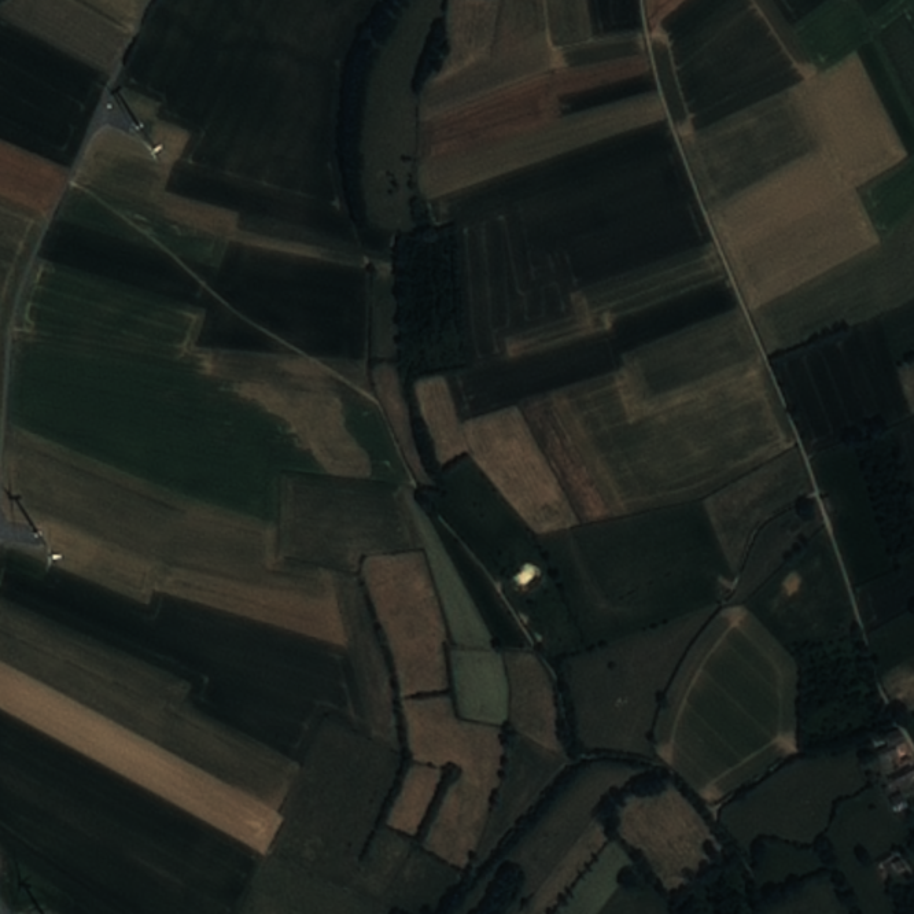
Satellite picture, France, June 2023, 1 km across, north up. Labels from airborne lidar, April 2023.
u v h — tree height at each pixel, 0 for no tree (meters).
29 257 0
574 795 0
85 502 0
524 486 0
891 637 0
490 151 0
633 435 0
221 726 0
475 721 0
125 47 0
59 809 0
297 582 0
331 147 0
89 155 0
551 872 0
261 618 0
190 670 0
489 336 0
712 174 0
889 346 0
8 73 0
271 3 0
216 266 0
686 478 0
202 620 0
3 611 0
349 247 0
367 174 0
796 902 0
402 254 12
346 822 0
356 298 0
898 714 22
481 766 0
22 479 0
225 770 0
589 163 0
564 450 0
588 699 0
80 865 0
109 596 0
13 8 0
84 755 0
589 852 0
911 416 0
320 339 0
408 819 0
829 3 0
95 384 0
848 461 0
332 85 0
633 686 0
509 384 0
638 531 0
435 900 0
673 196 0
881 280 0
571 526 0
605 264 0
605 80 0
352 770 0
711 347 0
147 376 0
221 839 0
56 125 0
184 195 0
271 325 0
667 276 0
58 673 0
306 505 0
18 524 0
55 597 0
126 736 0
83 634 0
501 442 0
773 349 0
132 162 0
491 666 0
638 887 20
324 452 0
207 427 0
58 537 0
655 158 0
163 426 0
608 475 0
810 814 0
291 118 0
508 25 0
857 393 0
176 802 0
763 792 0
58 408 0
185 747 0
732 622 0
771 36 0
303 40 0
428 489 7
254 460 0
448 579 0
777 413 0
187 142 0
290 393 0
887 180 0
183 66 0
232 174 0
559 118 0
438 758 0
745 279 0
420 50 0
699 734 0
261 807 0
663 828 0
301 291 0
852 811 0
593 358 0
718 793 0
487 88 0
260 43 0
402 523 0
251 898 0
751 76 0
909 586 0
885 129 0
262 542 0
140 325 0
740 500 0
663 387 0
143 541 0
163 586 0
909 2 0
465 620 0
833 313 0
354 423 0
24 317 0
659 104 0
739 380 0
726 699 0
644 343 0
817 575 0
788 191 0
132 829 0
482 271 0
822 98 0
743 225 0
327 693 0
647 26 0
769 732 0
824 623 0
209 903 0
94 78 0
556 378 0
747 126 0
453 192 0
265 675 0
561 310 0
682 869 0
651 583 0
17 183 0
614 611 0
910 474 0
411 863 0
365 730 0
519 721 0
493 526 0
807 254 0
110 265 0
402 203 0
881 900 0
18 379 0
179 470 0
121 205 0
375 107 0
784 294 0
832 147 0
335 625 0
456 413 0
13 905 0
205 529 0
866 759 10
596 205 0
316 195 0
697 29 0
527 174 0
